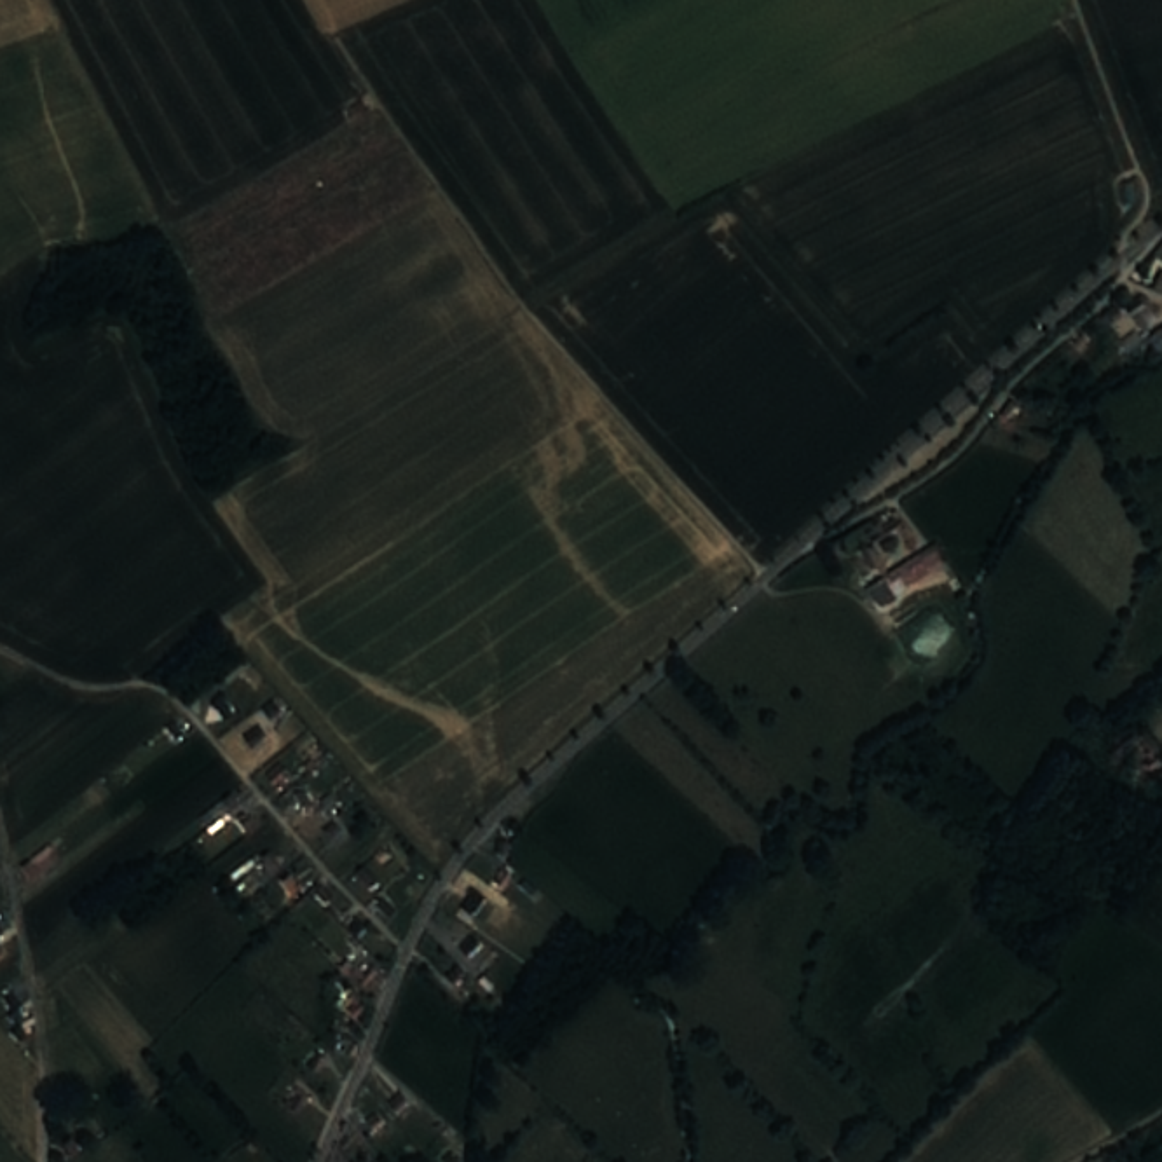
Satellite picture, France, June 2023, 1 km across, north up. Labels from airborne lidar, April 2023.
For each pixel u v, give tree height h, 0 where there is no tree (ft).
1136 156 0
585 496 0
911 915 0
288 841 0
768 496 0
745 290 0
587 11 0
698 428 0
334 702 0
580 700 0
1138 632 0
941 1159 0
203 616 0
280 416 0
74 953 0
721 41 0
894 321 0
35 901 0
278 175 0
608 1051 0
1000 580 0
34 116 0
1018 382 0
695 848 0
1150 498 0
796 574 0
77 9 0
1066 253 0
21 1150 0
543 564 0
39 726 0
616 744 0
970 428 20
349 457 0
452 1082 0
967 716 0
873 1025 0
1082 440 0
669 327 0
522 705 0
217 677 28
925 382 0
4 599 0
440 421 0
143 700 0
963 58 0
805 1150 21
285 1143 0
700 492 0
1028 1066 0
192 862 28
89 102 0
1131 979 0
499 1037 39
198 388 37
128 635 0
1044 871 89
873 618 0
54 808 0
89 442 0
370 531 0
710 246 0
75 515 0
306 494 0
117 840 0
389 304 0
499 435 0
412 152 0
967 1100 0
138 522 0
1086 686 0
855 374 0
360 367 0
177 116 0
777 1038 0
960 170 0
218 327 0
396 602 0
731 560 0
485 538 0
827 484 0
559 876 0
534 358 0
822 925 0
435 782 0
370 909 0
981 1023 0
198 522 0
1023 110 0
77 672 0
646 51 0
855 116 0
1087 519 0
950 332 0
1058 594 0
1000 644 0
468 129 0
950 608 0
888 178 0
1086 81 0
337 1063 0
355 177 0
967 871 0
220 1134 0
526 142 0
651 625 0
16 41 0
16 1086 0
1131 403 0
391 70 0
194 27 0
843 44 0
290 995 0
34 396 0
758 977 0
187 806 0
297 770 0
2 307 0
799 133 0
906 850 0
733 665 0
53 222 0
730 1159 0
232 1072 0
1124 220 0
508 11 0
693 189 0
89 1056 0
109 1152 0
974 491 0
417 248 0
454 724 0
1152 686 59
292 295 0
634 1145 0
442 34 0
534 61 0
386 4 0
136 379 0
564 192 0
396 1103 0
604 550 0
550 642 0
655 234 0
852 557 0
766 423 0
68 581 0
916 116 0
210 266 0
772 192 0
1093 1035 0
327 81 0
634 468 0
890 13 0
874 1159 0
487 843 0
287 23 0
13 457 0
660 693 0
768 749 0
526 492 0
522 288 0
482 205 0
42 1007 0
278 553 0
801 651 0
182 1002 0
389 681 0
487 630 0
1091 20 0
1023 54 0
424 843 0
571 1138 0
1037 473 29
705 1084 0
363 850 0
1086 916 39
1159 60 0
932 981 0
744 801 22
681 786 0
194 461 69
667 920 0
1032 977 0
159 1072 64
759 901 0
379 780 0
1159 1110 0
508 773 0
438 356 0
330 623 0
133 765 0
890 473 0
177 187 0
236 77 0
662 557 0
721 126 0
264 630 0
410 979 0
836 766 0
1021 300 0
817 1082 0
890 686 0
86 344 0
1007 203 0
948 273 0
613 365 0
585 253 0
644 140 0
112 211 0
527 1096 0
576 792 0
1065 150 0
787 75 0
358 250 0
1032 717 0
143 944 0
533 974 55
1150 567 55
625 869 0
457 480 0
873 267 0
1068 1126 0
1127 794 63
